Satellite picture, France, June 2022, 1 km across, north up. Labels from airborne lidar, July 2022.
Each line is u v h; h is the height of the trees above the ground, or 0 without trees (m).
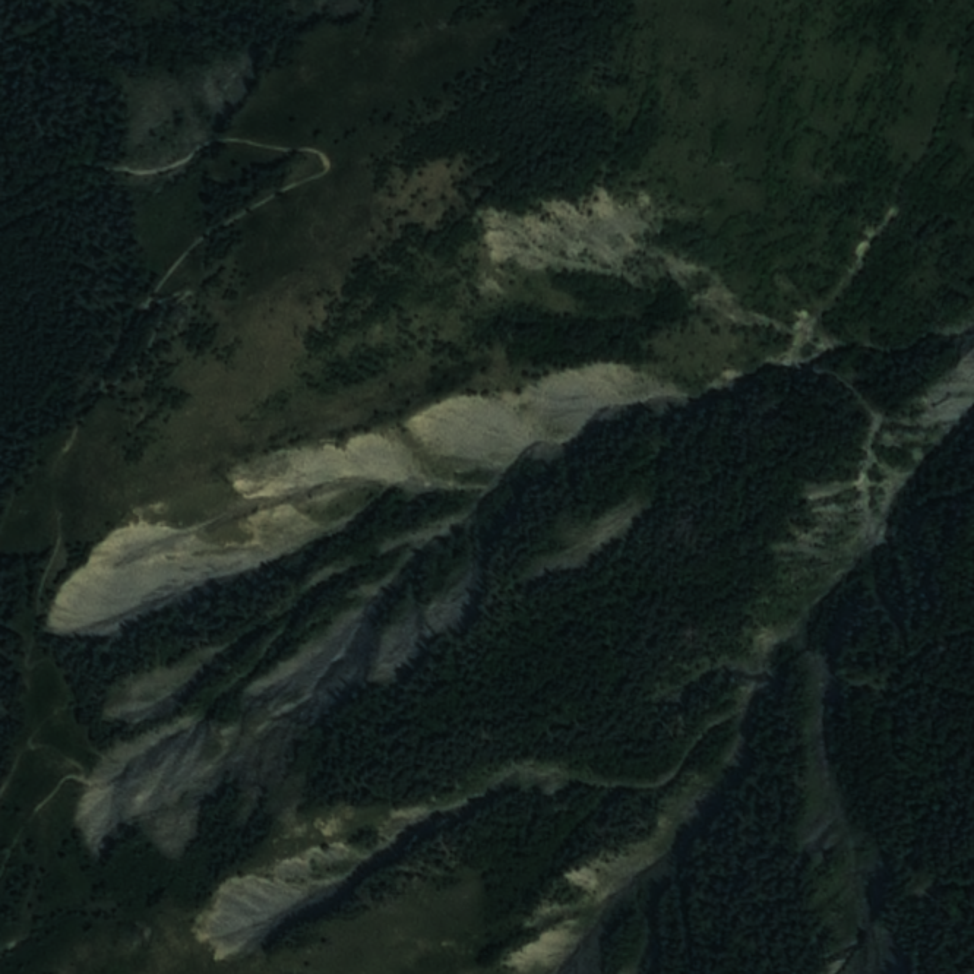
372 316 9
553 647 12
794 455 23
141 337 17
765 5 0
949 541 15
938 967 22
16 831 0
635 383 0
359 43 0
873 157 11
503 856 7
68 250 18
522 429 0
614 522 0
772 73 10
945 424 0
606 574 21
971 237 10
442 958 0
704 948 27
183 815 0
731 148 0
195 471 0
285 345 0
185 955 0
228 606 10
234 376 0
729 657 7
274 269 0
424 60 0
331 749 17
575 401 0
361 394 0
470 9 9
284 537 0
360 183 0
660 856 0
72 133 28
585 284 14
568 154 26
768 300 8
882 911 13
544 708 15
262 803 10
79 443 0
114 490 0
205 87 0
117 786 0
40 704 0
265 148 0
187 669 0
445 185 0
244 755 0
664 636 28
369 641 0
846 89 8
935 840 21
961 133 0
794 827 23
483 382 0
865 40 11
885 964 0
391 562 10
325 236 0
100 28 28
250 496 0
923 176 12
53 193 21
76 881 0
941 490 11
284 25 7
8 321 21
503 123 15
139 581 0
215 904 0
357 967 0
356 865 0
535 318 15
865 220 7
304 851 0
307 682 0
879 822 16
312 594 7
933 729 12
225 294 7
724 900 28
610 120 21
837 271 9
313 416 0
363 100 0
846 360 15
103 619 0
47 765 0
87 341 23
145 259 11
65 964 0
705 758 14
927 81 0
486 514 6
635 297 16
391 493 11
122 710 0
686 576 10
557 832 13
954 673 17
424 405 0
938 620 21
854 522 8
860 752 13
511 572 16
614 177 16
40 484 0
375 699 11
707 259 13
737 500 18
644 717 23
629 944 10
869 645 25
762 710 9
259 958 0
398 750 26
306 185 0
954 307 17
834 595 8
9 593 22
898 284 11
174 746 0
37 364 22
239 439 0
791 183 7
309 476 0
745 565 16
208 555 0
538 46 18
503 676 13
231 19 10
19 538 0
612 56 11
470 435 0
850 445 21
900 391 16
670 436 19
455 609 0
